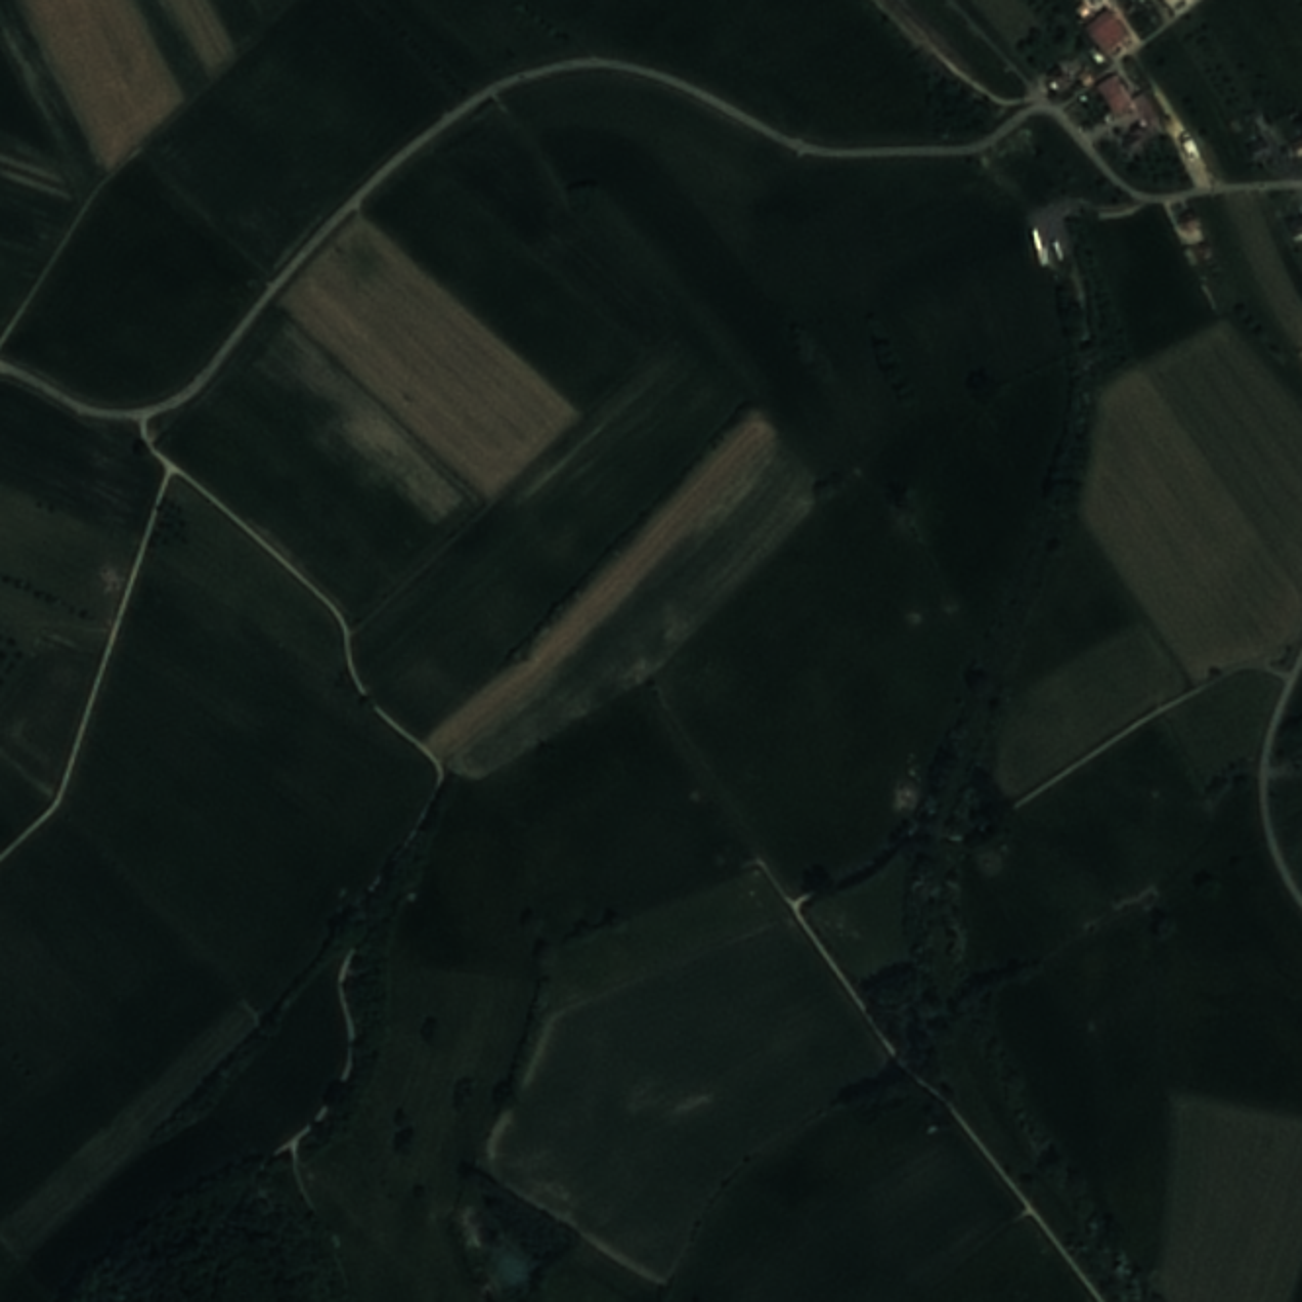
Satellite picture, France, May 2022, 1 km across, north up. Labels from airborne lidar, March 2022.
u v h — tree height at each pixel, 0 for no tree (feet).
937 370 0
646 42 0
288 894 0
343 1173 0
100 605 0
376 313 0
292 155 0
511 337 0
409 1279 0
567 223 0
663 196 0
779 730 0
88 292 0
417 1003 0
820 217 0
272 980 0
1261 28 0
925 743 0
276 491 0
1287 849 0
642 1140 0
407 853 36
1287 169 0
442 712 0
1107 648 0
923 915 21
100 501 0
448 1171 0
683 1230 0
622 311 0
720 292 0
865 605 0
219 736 0
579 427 0
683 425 0
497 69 0
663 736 0
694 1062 0
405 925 0
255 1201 53
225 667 0
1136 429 0
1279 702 0
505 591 0
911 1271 0
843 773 0
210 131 0
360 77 0
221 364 0
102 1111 0
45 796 0
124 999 0
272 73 0
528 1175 0
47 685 0
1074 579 0
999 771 0
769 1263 0
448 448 0
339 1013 0
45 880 0
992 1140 0
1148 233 0
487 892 0
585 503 0
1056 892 0
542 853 0
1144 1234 0
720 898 0
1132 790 0
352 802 0
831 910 0
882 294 0
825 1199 0
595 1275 0
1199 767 0
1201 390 0
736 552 0
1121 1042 0
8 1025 0
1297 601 0
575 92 0
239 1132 0
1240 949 0
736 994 0
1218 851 0
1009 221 0
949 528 0
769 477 0
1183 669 0
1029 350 0
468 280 0
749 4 0
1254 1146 0
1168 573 0
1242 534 0
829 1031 0
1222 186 0
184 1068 0
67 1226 0
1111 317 21
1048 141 0
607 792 0
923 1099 21
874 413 0
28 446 0
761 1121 0
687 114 0
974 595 0
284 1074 0
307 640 0
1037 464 0
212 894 0
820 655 0
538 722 0
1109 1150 0
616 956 0
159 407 0
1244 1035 0
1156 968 0
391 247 0
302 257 0
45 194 0
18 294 0
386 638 0
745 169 0
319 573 0
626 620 0
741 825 0
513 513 0
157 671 0
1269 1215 0
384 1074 0
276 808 0
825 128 0
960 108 33
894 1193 0
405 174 0
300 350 0
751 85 0
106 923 0
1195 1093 0
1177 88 0
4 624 0
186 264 0
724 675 0
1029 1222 0
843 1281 0
